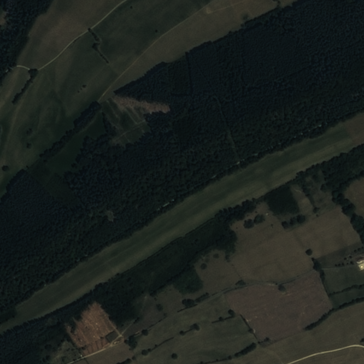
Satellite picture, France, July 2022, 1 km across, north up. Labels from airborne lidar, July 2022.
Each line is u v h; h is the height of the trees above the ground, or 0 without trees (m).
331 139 0
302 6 29
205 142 25
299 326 0
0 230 22
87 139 15
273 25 27
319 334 0
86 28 0
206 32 0
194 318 0
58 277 23
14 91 0
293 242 0
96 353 0
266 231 0
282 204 7
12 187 27
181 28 0
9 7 32
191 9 0
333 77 33
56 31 0
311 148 0
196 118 14
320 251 0
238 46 16
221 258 0
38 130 0
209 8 0
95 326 0
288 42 24
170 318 0
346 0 27
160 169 20
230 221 25
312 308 0
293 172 0
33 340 16
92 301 21
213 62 24
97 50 14
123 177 21
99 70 0
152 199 15
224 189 0
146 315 0
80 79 0
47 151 11
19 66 0
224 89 25
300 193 0
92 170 26
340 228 0
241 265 0
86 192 31
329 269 0
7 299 13
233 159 15
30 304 0
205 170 24
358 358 0
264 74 26
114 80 0
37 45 0
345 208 16
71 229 23
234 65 17
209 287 0
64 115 0
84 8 0
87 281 0
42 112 0
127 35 0
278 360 0
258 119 13
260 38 24
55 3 0
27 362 14
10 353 18
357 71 18
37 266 20
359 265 0
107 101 0
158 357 0
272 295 0
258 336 0
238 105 21
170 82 10
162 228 0
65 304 0
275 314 0
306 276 0
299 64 22
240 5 0
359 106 14
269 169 0
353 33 23
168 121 22
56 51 0
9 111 0
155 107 0
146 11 0
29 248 20
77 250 22
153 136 22
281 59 23
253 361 0
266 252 0
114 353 0
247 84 23
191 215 0
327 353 0
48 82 0
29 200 29
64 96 0
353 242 0
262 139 20
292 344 0
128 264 0
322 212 0
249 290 0
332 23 28
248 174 0
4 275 14
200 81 25
